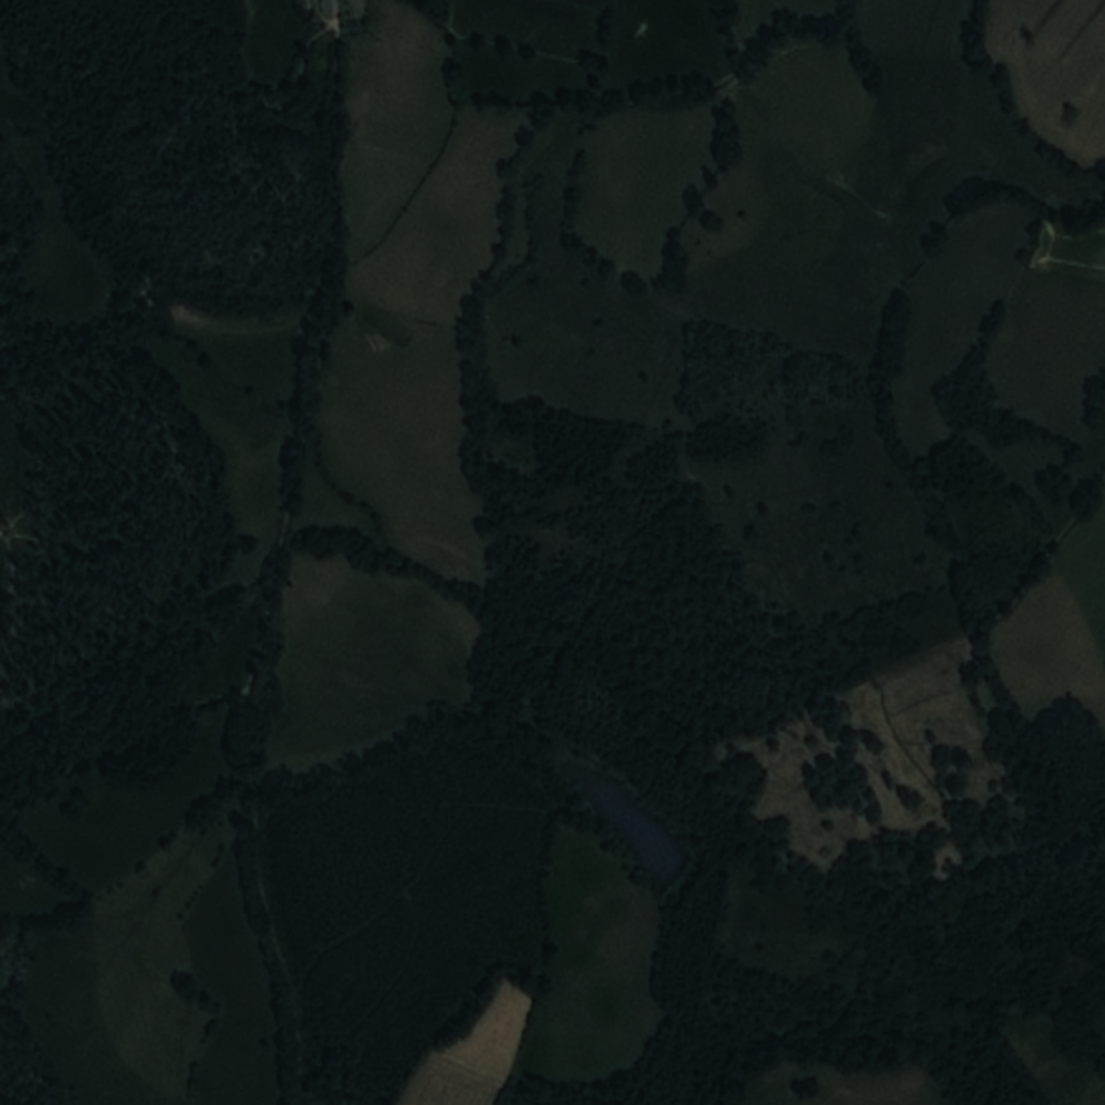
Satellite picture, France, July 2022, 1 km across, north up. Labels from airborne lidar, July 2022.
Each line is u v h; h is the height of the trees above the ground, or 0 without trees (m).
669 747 18
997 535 0
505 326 0
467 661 0
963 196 21
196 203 20
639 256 0
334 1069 16
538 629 25
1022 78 0
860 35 10
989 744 7
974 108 0
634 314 0
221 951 0
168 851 13
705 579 10
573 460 14
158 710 24
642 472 10
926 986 8
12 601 24
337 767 0
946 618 0
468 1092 0
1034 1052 0
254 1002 0
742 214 7
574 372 0
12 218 15
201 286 17
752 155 0
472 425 18
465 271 0
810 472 0
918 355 0
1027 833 14
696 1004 19
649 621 16
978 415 19
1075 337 0
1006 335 0
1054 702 0
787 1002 6
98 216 19
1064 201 0
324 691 0
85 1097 0
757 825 7
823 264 0
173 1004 0
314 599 0
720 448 12
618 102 19
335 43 8
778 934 0
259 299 15
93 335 24
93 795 0
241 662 0
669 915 15
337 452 0
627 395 0
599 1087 14
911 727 0
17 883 0
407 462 0
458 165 0
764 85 0
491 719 21
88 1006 0
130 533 31
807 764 0
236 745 24
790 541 0
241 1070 0
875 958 6
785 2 0
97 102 19
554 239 0
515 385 0
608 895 0
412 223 0
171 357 0
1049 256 0
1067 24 0
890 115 0
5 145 20
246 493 0
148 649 20
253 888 21
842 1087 0
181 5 17
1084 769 30
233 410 0
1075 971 0
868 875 14
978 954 8
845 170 0
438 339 0
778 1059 21
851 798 17
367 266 0
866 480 0
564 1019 0
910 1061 6
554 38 0
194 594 16
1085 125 0
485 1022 0
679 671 10
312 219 19
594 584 22
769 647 14
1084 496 17
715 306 0
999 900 10
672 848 0
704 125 0
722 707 16
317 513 0
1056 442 9
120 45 23
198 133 8
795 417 7
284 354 0
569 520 8
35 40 22
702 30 0
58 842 0
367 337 0
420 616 0
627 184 0
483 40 13
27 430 0
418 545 0
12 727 23
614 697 17
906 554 0
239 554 16
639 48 0
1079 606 0
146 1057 0
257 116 15
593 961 0
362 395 0
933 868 7
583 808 12
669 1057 18
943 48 0
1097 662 0
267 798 29
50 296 0
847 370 19
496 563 18
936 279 0
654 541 11
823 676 7
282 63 0
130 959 0
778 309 0
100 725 23
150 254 13
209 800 9
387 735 0
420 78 0
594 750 14
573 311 0
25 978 0
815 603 0
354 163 0
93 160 18
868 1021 6
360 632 0
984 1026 9
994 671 8
